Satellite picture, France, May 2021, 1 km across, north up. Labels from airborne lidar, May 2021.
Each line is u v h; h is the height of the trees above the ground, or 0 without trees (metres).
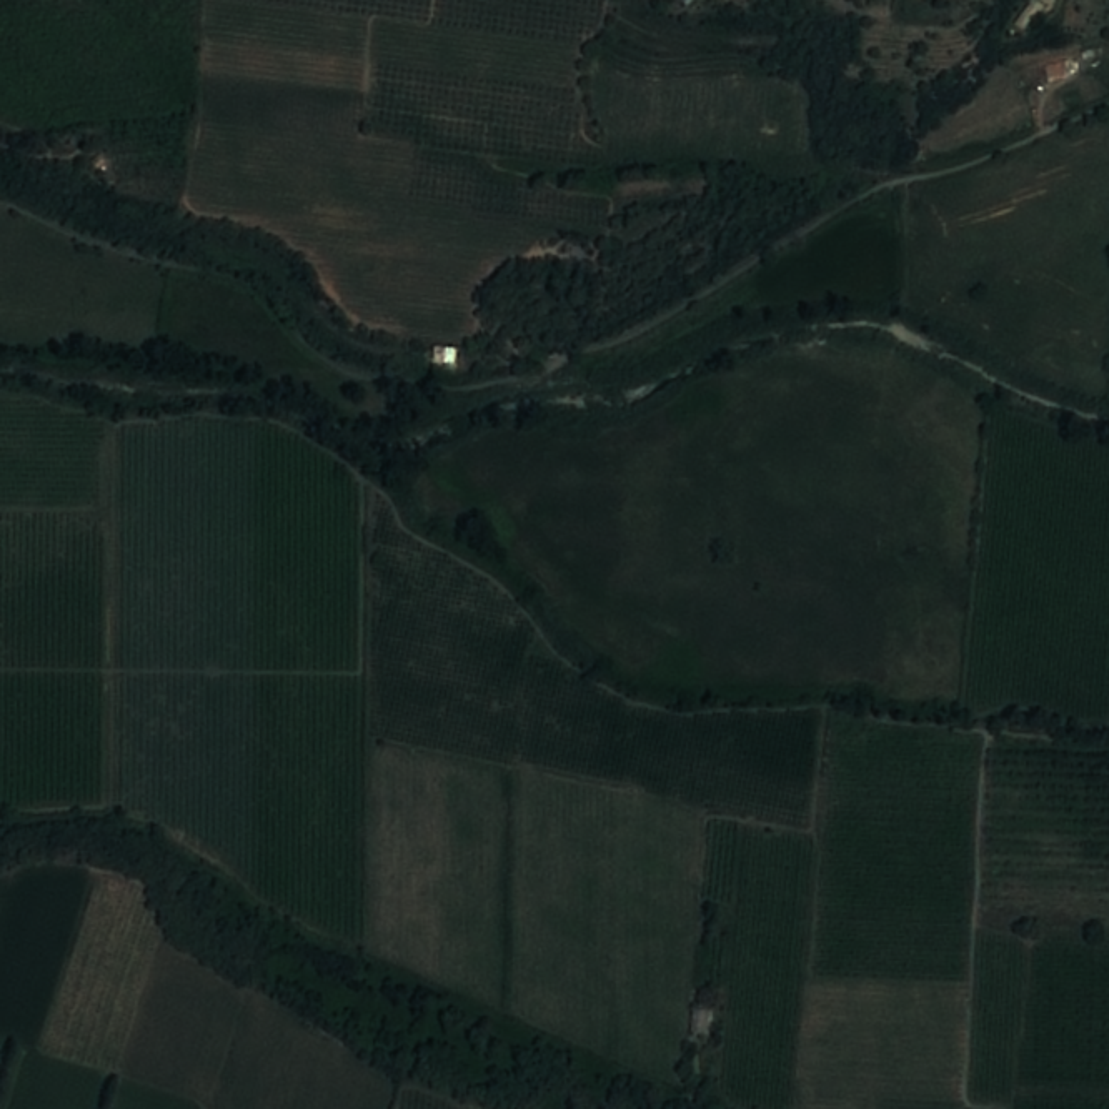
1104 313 0
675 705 9
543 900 0
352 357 12
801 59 7
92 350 31
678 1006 0
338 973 11
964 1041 0
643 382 6
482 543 24
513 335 12
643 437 0
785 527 0
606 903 0
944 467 0
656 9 12
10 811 14
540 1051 13
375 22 0
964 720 13
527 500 0
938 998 0
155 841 7
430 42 0
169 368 33
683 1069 13
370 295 0
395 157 0
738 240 7
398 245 0
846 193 13
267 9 0
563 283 14
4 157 10
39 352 10
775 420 0
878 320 6
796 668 0
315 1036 0
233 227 13
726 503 0
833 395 0
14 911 0
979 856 0
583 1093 12
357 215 0
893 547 0
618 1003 0
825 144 8
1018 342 0
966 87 9
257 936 9
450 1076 14
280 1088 0
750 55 11
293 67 0
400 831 0
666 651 0
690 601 0
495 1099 16
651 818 0
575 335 10
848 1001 0
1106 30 8
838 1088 0
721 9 7
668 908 0
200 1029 0
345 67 0
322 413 33
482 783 0
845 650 0
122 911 0
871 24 9
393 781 0
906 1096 0
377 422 23
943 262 0
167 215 11
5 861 12
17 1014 0
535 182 15
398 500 6
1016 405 7
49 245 0
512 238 0
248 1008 0
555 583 0
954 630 0
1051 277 0
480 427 8
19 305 0
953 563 0
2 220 0
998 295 0
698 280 6
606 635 0
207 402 7
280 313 13
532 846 0
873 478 0
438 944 0
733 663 0
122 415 13
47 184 10
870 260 0
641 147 0
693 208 9
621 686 8
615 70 0
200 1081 0
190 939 15
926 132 7
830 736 0
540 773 0
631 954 0
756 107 0
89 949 0
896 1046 0
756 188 8
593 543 0
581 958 0
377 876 0
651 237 12
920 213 0
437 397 34
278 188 0
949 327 6
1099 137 0
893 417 0
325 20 0
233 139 0
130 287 0
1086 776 8
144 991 0
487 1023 14
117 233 8
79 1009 0
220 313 0
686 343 7
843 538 0
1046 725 22
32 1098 0
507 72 0
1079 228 0
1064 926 0
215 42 0
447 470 0
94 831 8
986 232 0
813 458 0
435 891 0
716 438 0
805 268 0
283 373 0
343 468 6
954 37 0
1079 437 27
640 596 0
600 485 0
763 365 0
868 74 10
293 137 0
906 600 0
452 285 0
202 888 11
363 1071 0
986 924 0
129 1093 0
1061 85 0
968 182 0
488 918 0
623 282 10
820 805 0
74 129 7
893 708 8
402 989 13
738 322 7
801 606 0
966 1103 0
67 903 0
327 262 0
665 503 0
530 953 0
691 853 0
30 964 0
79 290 0
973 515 6
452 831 0
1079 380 0
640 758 10
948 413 0
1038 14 6
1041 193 0
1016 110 0
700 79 0
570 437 6
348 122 0
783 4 9
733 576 0
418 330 0
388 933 0
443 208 0
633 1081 13
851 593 0
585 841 0
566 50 0
